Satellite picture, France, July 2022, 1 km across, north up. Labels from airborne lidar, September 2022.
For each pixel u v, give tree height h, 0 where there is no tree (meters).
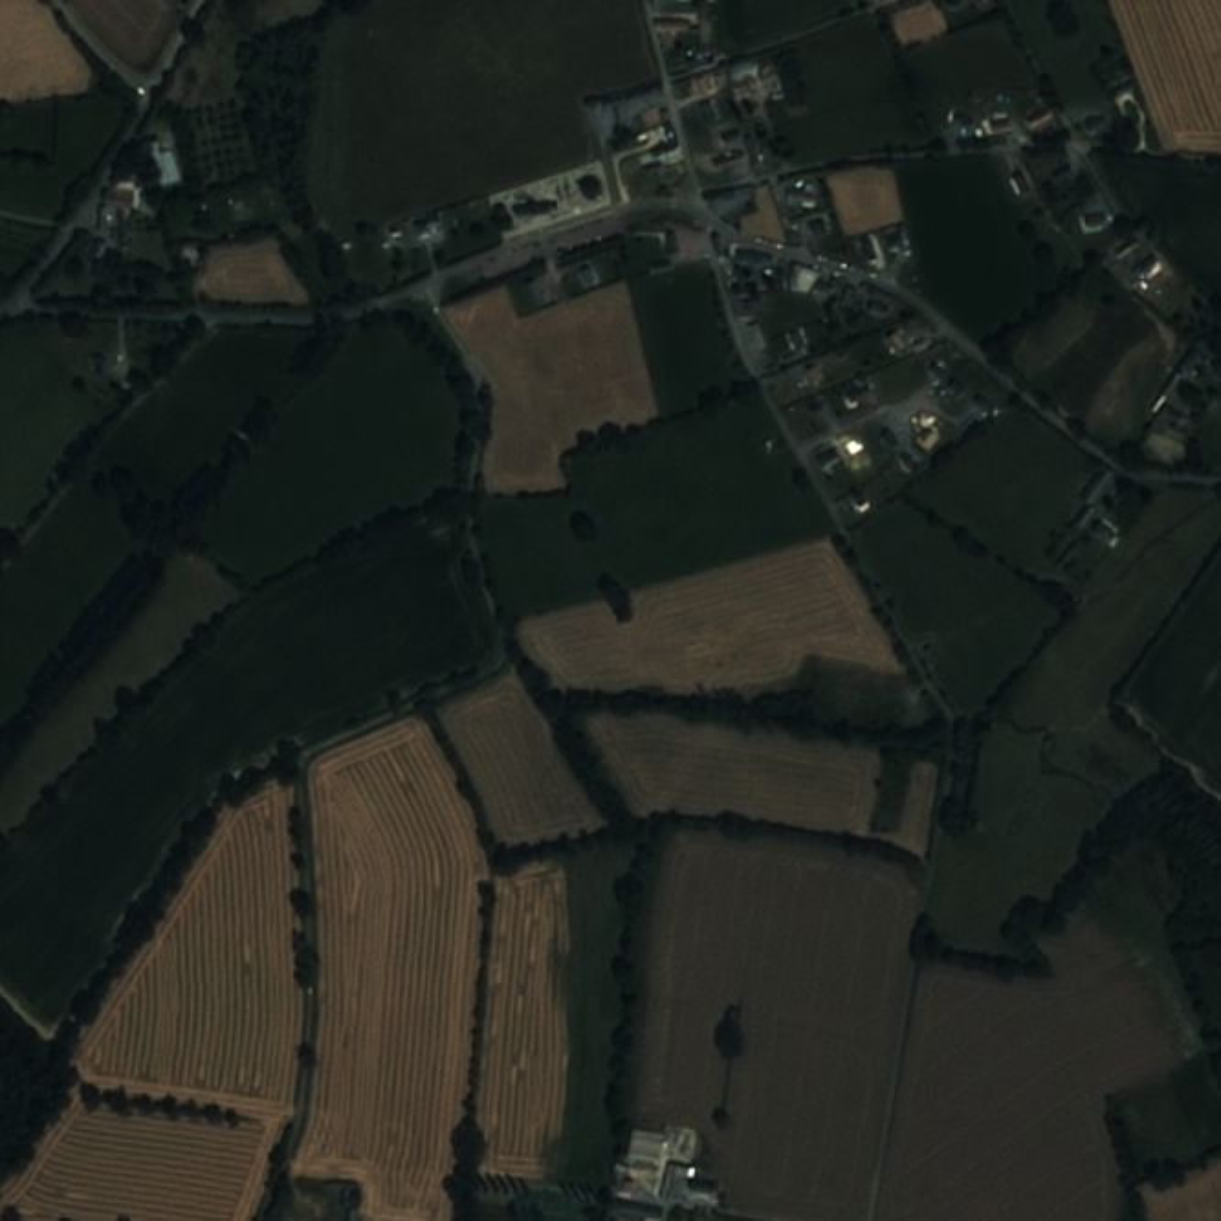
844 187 0
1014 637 0
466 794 12
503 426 0
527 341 0
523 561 0
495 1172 0
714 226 0
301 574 7
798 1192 0
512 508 0
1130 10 0
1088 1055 0
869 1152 0
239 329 8
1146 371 0
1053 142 12
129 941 15
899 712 0
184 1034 0
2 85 0
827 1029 0
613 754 0
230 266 0
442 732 8
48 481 0
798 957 0
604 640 0
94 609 0
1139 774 0
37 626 0
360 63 0
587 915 0
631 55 0
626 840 10
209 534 0
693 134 0
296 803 0
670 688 0
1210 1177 0
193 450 0
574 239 0
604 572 0
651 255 0
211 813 12
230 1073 0
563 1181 0
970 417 0
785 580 0
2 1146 16
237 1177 0
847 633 0
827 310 9
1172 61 0
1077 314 0
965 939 0
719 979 0
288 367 0
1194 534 0
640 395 0
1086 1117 0
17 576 0
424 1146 0
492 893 17
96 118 0
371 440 0
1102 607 0
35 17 0
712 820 7
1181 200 0
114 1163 0
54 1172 0
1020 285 0
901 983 0
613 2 0
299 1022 0
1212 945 11
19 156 15
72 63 0
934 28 0
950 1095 0
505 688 0
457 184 0
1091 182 8
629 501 0
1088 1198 0
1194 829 21
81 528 0
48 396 0
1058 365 0
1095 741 0
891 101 0
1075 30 16
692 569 0
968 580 0
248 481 0
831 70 0
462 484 8
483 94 0
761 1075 0
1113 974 0
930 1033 0
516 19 0
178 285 9
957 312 0
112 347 0
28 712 13
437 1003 0
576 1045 0
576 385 0
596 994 0
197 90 0
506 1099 0
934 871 0
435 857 0
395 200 0
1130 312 0
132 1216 0
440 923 0
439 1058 0
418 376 0
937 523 10
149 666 0
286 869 0
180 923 0
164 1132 0
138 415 0
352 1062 0
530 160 0
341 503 0
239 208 0
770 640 0
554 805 0
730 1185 0
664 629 0
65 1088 17
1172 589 0
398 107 0
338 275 27
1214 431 0
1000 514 0
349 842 0
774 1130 0
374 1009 0
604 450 16
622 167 0
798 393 0
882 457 0
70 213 13
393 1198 0
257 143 11
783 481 0
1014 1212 0
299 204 14
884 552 0
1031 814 0
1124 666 0
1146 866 0
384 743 0
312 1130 0
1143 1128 0
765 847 0
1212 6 0
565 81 0
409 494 0
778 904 0
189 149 10
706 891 0
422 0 0
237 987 0
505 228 10
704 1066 0
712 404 18
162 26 0
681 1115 0
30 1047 13
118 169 13
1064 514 0
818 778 0
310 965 14
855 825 0
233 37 0
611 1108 12
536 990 0
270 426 26
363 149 0
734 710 30
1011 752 0
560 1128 0
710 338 0
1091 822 0
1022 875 0
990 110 0
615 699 9
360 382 0
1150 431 6
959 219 0
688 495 0
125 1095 15
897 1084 0
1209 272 0
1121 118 10
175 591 0
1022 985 0
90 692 0
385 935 0
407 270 14
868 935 0
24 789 0
